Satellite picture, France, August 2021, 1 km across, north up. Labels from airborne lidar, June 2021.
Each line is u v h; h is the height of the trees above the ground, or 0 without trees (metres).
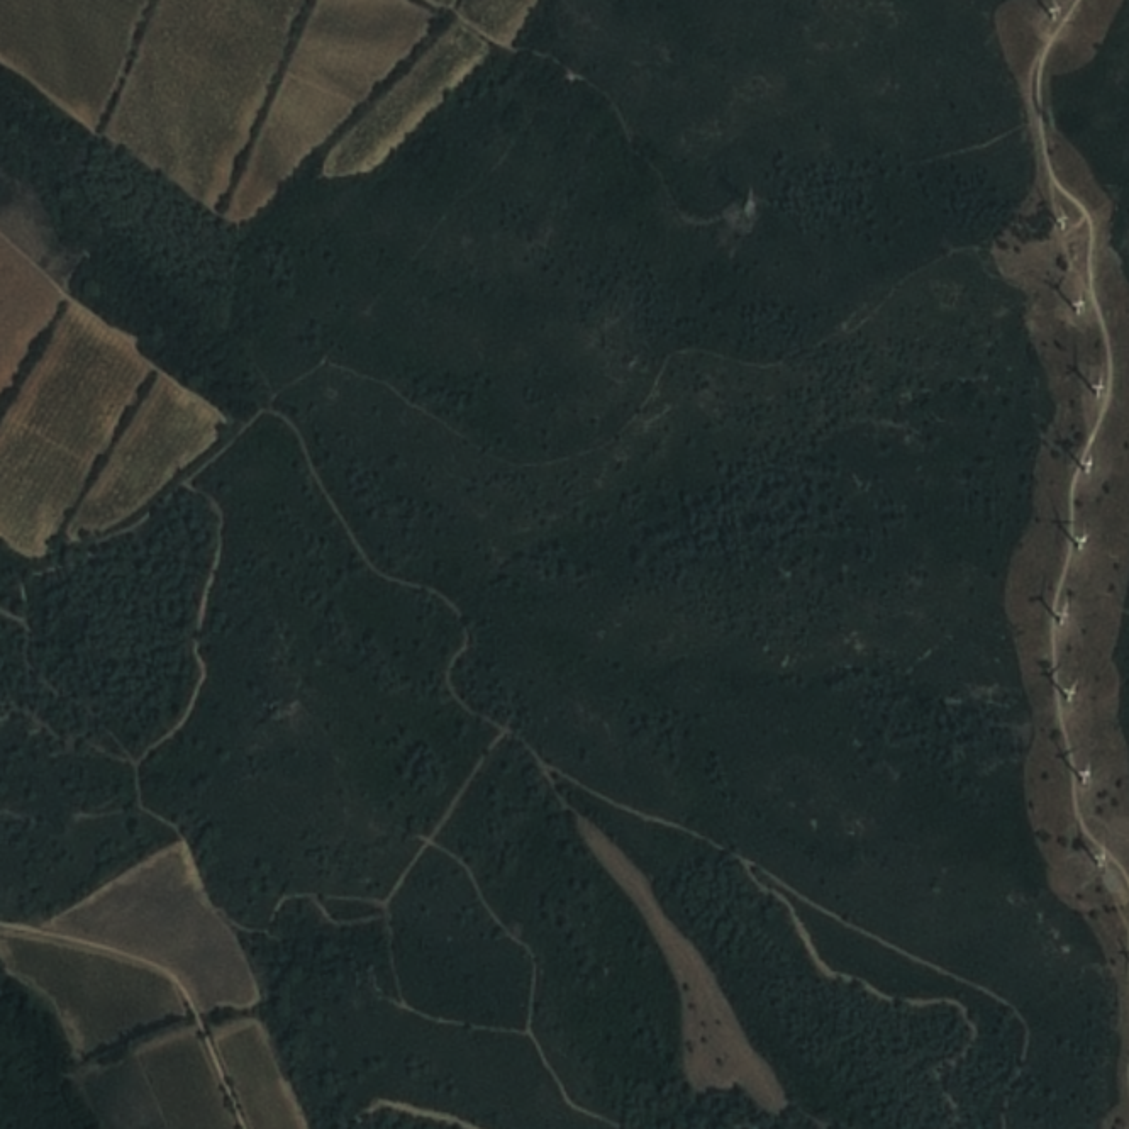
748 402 6
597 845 0
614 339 0
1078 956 0
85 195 13
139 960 0
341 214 0
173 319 11
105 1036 0
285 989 13
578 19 0
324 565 10
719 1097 13
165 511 7
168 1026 14
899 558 0
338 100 0
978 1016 8
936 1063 12
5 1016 15
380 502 10
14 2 0
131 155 13
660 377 0
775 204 8
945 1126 13
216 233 11
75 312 0
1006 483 0
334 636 9
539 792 15
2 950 0
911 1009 10
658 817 0
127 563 11
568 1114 0
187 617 13
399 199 0
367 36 0
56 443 0
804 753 0
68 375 0
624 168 0
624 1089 6
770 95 0
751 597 0
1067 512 0
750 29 0
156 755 10
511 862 13
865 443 0
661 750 7
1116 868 0
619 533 0
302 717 0
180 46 0
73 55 0
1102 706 0
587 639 0
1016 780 0
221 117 0
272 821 0
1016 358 0
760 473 16
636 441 0
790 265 0
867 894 0
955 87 0
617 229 0
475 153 0
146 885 0
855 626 0
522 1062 0
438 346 0
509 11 0
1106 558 0
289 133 0
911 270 0
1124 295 0
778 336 9
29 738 8
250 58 0
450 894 0
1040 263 0
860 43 0
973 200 8
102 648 14
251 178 0
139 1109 0
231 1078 5
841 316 0
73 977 0
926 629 0
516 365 0
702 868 12
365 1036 0
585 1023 6
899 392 10
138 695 14
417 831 10
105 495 0
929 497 0
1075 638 0
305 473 10
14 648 9
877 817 0
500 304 0
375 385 0
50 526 0
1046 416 0
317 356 0
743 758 0
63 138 10
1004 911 0
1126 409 0
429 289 0
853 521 6
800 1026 14
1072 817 0
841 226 6
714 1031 0
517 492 8
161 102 0
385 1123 11
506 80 10
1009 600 0
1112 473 0
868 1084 11
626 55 0
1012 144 0
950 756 13
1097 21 0
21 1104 12
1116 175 0
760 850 0
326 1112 7
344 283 0
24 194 0
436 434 0
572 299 0
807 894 0
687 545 11
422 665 0
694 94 0
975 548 0
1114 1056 0
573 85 6
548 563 7
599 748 0
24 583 7
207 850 11
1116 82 0
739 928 12
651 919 0
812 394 12
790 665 0
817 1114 12
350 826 0
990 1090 11
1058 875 0
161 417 0
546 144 0
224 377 7
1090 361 0
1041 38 0
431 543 0
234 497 0
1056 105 0
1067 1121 0
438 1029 0
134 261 7
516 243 0
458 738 7
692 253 0
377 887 9
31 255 0
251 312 5
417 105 0
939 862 0
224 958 0
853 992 8
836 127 0
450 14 9
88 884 6
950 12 0
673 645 0
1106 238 0
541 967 5
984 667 0
